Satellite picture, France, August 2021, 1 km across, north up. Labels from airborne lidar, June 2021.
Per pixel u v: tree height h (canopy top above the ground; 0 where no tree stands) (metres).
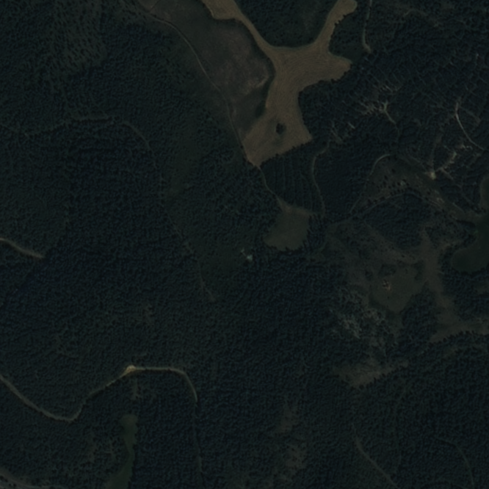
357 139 16
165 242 14
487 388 18
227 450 7
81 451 12
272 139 0
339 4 0
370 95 7
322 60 0
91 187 16
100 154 15
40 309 12
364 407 6
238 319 8
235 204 10
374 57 11
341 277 7
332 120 8
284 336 13
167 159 11
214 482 6
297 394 7
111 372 14
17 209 13
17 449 12
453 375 19
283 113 0
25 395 12
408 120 10
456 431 15
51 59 10
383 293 0
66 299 10
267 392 14
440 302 0
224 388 15
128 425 0
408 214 11
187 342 12
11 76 10
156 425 14
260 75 0
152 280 14
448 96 7
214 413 14
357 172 8
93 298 12
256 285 14
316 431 8
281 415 6
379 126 14
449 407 11
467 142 7
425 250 0
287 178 8
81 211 18
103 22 13
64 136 16
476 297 12
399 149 11
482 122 7
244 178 13
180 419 14
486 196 0
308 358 10
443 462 12
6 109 8
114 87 9
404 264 0
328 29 0
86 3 10
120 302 16
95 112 10
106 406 15
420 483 11
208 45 0
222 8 0
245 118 0
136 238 14
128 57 9
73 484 14
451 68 9
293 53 0
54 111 12
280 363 12
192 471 15
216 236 5
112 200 12
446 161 6
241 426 15
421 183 0
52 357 11
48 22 11
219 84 0
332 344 9
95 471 9
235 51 0
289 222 0
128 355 14
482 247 0
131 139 13
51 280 16
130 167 14
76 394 10
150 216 12
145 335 15
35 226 14
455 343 15
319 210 7
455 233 6
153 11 0
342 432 10
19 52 14
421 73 11
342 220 10
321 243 16
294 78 0
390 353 9
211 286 6
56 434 14
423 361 9
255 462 9
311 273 8
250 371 11
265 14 10
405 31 17
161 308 11
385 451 11
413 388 10
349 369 0
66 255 16
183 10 0
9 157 16
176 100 9
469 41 12
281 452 6
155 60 12
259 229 8
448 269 11
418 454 12
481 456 15
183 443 13
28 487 0
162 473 15
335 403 9
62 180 19
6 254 17
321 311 9
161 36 12
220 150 8
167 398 15
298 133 0
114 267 12
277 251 13
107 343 14
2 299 9
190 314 12
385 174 0
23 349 13
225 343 10
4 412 17
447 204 0
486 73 8
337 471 20
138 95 8
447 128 6
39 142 15
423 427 15
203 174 11
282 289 13
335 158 6
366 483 6
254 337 15
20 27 8
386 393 15
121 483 0
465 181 7
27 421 14
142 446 14
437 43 11
